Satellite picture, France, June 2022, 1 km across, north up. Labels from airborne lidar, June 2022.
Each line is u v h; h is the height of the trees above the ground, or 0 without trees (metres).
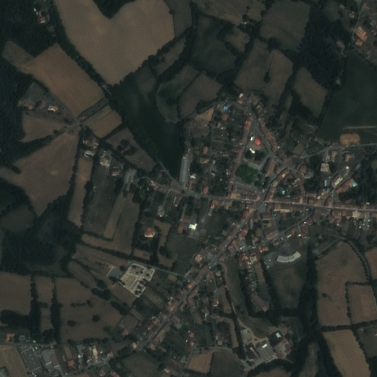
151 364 0
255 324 0
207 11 0
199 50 0
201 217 0
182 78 0
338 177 0
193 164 9
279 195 7
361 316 0
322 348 13
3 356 0
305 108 15
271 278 9
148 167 0
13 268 13
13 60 0
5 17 8
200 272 0
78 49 0
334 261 0
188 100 0
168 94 0
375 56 0
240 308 12
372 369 9
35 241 8
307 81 0
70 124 8
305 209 0
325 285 0
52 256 6
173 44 15
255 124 0
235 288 0
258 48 0
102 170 0
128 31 0
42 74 0
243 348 12
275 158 0
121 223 0
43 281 0
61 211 13
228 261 0
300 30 0
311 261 15
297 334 0
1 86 23
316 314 12
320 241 10
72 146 0
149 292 0
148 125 0
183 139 13
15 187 19
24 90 9
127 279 0
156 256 13
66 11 0
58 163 0
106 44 0
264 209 0
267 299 7
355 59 0
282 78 0
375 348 0
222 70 0
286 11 0
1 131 16
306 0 9
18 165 0
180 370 0
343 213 0
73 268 0
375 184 22
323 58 26
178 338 0
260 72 0
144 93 0
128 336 11
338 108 0
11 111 15
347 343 0
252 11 0
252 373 17
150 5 0
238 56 18
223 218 0
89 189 13
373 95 0
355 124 0
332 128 0
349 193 10
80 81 0
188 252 0
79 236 8
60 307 12
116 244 0
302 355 15
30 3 11
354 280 0
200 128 0
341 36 15
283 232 0
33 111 8
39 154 0
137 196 6
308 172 0
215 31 0
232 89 13
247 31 12
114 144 0
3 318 19
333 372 19
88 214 0
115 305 21
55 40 15
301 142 0
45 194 0
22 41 7
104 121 0
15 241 13
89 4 0
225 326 12
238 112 0
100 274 0
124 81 7
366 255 0
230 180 0
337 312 0
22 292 0
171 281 0
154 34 0
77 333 0
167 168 11
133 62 0
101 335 0
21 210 0
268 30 0
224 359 0
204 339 0
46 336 8
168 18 0
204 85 0
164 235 0
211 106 5
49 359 0
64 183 0
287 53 23
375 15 0
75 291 0
